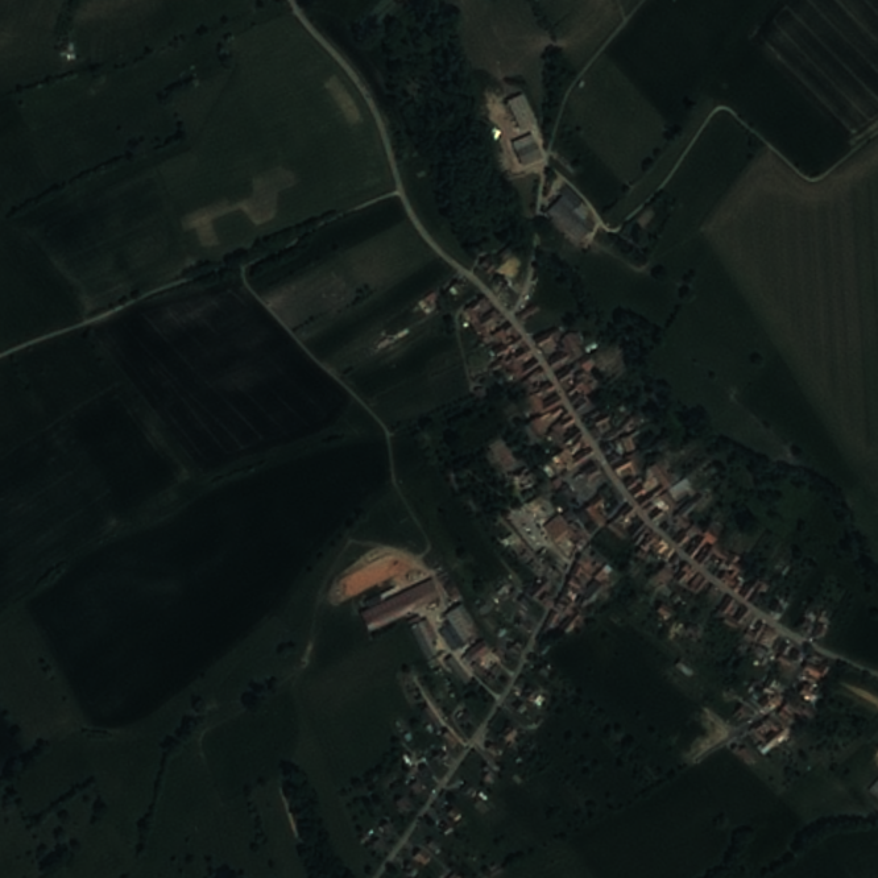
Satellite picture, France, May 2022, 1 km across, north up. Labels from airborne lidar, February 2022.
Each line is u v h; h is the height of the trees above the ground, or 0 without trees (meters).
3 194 0
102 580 0
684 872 0
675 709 0
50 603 0
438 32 25
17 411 0
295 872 0
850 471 0
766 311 0
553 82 8
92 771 0
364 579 0
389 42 16
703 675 0
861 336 0
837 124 0
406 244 0
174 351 0
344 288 0
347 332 0
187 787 0
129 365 0
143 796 0
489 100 0
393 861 0
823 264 0
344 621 0
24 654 0
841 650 0
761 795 0
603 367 0
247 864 0
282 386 0
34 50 0
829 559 0
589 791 0
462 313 0
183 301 0
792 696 10
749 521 25
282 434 0
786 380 0
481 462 6
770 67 0
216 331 0
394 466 0
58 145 0
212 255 0
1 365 0
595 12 0
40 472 0
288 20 0
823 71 0
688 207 0
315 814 15
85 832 0
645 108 0
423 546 0
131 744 0
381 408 0
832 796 0
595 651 0
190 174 0
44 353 0
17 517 0
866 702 0
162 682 0
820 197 0
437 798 0
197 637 0
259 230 0
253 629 0
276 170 0
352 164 0
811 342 0
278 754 0
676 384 0
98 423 0
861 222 0
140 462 0
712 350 0
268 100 0
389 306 0
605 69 0
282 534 0
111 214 0
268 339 0
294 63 0
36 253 0
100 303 0
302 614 0
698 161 0
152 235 0
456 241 0
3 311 0
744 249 0
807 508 0
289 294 0
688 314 0
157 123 0
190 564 0
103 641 0
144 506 0
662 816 0
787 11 0
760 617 0
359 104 0
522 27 0
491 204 30
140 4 0
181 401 0
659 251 0
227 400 0
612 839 0
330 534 0
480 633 0
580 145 0
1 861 0
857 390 0
